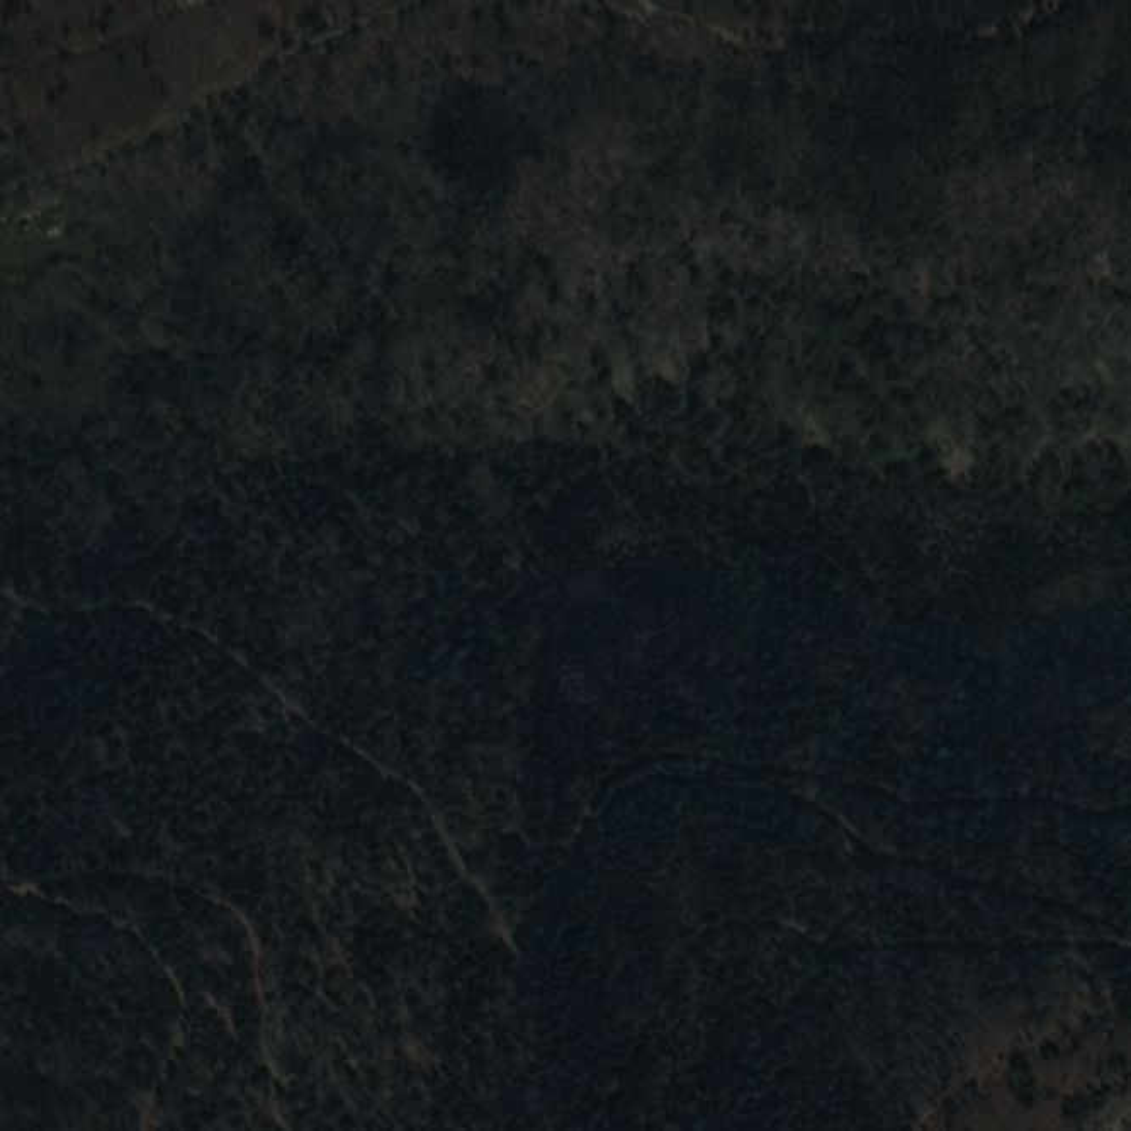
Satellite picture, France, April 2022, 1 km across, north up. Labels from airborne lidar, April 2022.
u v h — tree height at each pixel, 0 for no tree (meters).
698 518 28
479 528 28
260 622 36
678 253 23
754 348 21
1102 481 34
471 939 32
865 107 26
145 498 26
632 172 27
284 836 26
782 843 33
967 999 29
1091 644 20
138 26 12
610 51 20
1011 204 27
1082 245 25
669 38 19
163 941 24
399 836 14
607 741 29
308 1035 32
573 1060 30
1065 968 27
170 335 21
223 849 19
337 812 29
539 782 28
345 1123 31
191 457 26
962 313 18
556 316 16
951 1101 10
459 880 24
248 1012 14
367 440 31
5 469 25
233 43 12
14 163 0
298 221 20
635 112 25
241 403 32
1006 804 21
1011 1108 15
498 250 22
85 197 23
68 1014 12
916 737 29
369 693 26
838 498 19
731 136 25
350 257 28
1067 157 19
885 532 27
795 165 20
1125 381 22
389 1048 28
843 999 30
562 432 24
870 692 31
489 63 17
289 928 32
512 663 31
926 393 39
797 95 21
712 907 26
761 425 39
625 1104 16
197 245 33
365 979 8
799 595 26
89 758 26
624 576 22
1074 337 24
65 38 12
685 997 29
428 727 34
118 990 20
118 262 26
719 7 16
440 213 25
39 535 23
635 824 28
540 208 21
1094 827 32
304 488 33
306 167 35
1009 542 29
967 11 15
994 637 24
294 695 31
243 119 27
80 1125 18
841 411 28
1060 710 22
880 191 28
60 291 23
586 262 23
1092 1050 11
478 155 29
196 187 28
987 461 28
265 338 37
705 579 23
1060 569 23
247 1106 27
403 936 19
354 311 27
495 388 16
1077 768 24
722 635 24
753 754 20
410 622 35
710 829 26
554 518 10
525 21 20
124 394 24
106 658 26
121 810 31
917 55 20
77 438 22
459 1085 12
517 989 33
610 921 27
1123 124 22
